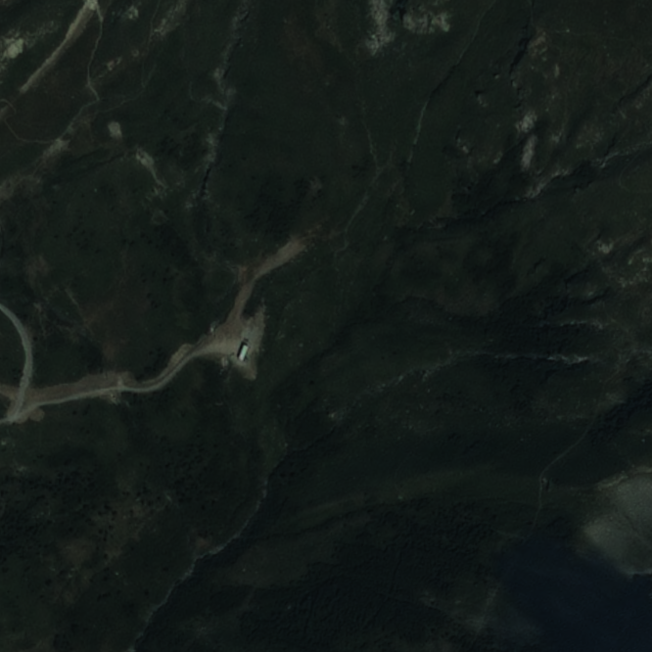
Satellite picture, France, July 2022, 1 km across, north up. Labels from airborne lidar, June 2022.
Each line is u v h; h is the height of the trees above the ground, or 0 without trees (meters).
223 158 0
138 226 0
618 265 0
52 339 0
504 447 0
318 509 0
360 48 0
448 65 0
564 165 0
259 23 0
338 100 0
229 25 0
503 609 0
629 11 0
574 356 0
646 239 0
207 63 0
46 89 0
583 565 0
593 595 0
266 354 0
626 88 0
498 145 0
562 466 0
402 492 0
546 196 0
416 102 0
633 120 0
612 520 0
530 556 0
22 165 0
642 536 0
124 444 0
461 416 0
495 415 0
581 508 0
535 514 0
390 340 0
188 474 7
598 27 0
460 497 0
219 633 0
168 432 0
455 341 0
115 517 6
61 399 0
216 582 0
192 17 0
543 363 7
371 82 0
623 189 0
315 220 0
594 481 0
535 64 0
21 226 0
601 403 0
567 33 0
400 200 0
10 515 7
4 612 0
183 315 0
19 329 0
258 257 0
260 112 0
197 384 0
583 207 0
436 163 0
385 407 0
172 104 0
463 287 0
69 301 0
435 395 0
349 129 0
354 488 0
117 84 0
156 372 7
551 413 0
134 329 0
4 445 0
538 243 0
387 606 6
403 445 0
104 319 0
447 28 0
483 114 0
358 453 0
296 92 0
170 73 0
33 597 0
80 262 0
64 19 0
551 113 0
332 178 0
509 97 0
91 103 0
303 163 0
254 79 0
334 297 0
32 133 0
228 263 0
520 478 0
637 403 6
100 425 0
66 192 0
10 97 0
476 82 0
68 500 8
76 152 0
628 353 0
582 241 0
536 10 0
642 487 0
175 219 0
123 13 0
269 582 0
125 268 0
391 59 0
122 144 0
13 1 0
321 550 0
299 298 0
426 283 0
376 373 0
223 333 0
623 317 0
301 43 0
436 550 5
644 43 0
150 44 0
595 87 0
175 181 0
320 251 0
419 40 0
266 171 0
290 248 0
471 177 0
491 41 0
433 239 0
